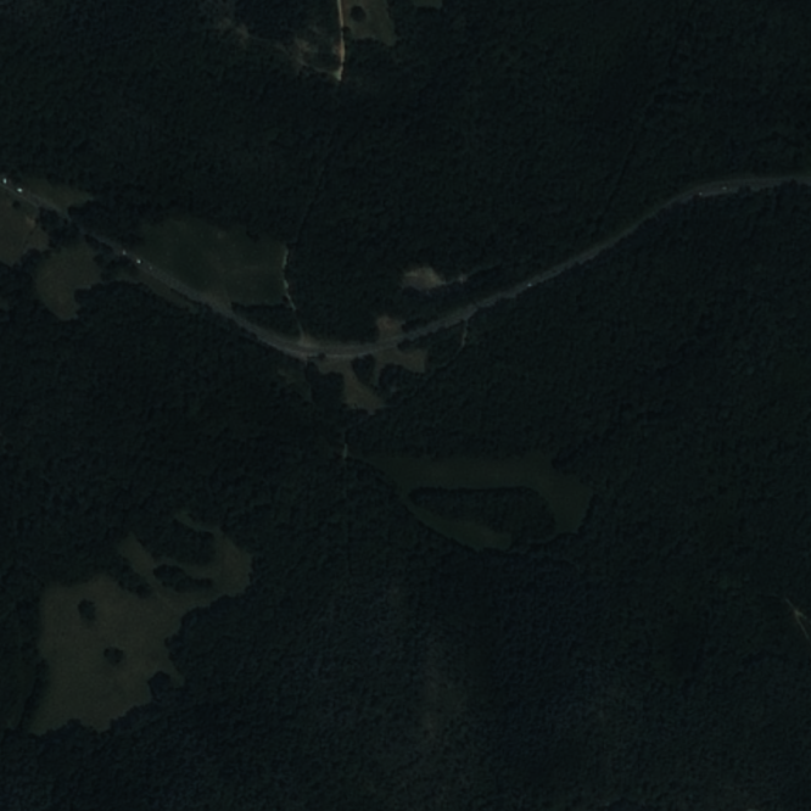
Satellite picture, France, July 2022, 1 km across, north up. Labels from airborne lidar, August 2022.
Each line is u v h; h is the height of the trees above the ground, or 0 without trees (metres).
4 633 21
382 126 10
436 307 16
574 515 0
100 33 22
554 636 22
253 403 10
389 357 0
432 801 9
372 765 9
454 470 0
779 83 15
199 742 18
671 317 15
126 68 14
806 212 16
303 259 17
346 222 19
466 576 25
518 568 24
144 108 21
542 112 16
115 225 24
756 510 15
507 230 27
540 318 12
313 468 20
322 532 19
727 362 20
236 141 21
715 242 15
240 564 0
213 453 6
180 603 0
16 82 15
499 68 10
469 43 19
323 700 6
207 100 16
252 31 12
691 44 18
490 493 8
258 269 0
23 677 0
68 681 0
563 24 17
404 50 8
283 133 9
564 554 14
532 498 11
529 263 13
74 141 18
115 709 0
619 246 10
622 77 16
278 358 14
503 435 18
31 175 10
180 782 16
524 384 14
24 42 15
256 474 14
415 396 14
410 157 18
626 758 8
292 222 16
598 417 23
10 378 20
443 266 27
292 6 16
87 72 13
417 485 0
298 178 13
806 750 7
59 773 27
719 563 14
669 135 19
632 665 15
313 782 9
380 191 18
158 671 0
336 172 19
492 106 17
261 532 17
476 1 17
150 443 9
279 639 19
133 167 23
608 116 15
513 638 19
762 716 7
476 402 18
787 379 7
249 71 17
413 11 12
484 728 17
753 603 11
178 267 0
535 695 17
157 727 19
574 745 7
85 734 23
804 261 27
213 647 20
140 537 16
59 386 22
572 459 20
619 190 13
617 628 15
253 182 14
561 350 16
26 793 8
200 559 17
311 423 12
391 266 26
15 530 21
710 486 15
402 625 8
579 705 7
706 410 17
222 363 21
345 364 0
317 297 14
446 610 22
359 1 0
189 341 17
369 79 10
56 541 19
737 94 23
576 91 11
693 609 8
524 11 19
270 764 9
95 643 0
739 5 18
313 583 18
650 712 14
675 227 18
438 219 19
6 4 12
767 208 21
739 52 24
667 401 18
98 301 19
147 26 19
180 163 17
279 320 12
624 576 17
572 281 16
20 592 23
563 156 14
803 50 21
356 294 15
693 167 20
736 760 10
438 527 0
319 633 7
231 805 7
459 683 8
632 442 16
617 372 17
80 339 17
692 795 5
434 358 7
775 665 13
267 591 19
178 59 10
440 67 18
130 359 16
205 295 0
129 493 20
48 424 24
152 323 15
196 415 11
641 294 17
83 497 23
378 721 12
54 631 0
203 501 15
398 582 7
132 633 0
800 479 21
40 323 22
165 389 21
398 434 11
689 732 11
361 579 9
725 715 15
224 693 19
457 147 18
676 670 11
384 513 19
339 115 15
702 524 8
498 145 18
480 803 16
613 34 13
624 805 14
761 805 6
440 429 14
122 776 14
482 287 16
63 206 0
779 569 14
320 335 7
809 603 14
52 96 16
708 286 14
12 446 16
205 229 0
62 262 0
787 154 19
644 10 19
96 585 0
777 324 22
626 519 13
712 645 13
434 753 11
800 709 9
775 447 9
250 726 14
